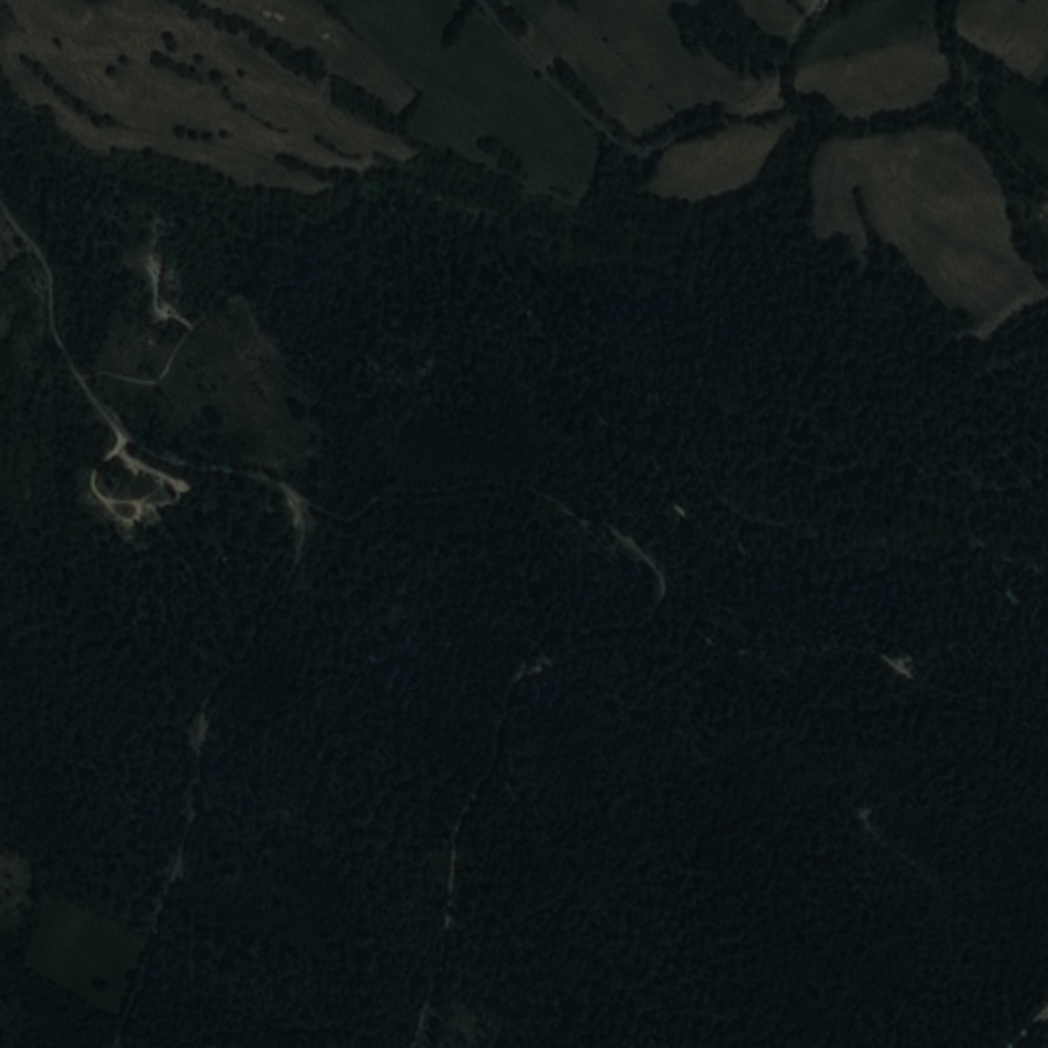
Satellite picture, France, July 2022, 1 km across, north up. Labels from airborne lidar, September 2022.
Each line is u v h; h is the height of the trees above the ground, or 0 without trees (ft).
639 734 82
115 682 64
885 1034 42
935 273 0
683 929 24
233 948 36
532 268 26
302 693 22
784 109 19
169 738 22
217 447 61
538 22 0
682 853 60
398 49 0
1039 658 77
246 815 78
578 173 0
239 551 55
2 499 27
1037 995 35
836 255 55
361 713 34
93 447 22
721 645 31
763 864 40
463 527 27
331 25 0
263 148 0
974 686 28
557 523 75
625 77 0
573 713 90
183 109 0
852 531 65
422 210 66
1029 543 50
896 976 30
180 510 34
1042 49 0
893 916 32
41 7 0
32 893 43
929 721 40
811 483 46
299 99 0
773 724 34
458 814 51
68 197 41
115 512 0
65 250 28
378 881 35
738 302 64
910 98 0
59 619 39
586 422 72
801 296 57
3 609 36
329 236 121
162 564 19
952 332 19
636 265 107
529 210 31
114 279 39
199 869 20
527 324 72
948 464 41
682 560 51
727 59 84
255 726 28
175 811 65
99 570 23
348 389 24
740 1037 47
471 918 45
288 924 25
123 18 0
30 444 21
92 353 46
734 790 34
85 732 39
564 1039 70
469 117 0
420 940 67
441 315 40
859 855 27
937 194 0
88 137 0
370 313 28
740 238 70
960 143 0
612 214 42
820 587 99
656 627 27
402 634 81
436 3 0
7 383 34
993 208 0
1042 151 0
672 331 64
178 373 0
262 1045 26
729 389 66
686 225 28
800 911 41
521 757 110
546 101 0
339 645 39
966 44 52
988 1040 25
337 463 40
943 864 36
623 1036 57
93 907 23
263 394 68
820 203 0
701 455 26
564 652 64
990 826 41
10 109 55
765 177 36
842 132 44
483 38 0
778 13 0
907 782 26
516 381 40
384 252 60
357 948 20
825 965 36
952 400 69
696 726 20
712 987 30
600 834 47
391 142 0
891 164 0
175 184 68
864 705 25
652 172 48
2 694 50
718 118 46
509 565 77
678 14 60
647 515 73
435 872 66
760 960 43
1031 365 39
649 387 85
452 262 18
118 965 0
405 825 59
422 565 83
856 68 0
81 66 0
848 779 24
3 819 50
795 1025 30
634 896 41
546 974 75
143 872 39
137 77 0
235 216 58
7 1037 40
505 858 43
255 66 0
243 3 0
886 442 46
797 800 27
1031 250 55
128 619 54
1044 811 30
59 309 23
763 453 20
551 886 38
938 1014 52
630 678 41
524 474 27
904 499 41
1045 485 43
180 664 52
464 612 85
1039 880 35
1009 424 56
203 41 0
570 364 71
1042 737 34
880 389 47
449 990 64
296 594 31
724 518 64
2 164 49
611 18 0
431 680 84
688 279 102
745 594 68
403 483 18
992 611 89
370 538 49
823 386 69
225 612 89
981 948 22
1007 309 0
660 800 38
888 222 0
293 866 25
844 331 21
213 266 24
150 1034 54
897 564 70
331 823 72
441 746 28
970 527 19
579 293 53
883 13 0
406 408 59
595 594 97
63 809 46
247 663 28
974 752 28
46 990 30
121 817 59
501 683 51
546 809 79
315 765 65
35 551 25
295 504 0
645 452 98
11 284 19
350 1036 51
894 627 74
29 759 66
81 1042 24
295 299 97
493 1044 41
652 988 86
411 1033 76
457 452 26
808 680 23
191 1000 58
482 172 28
